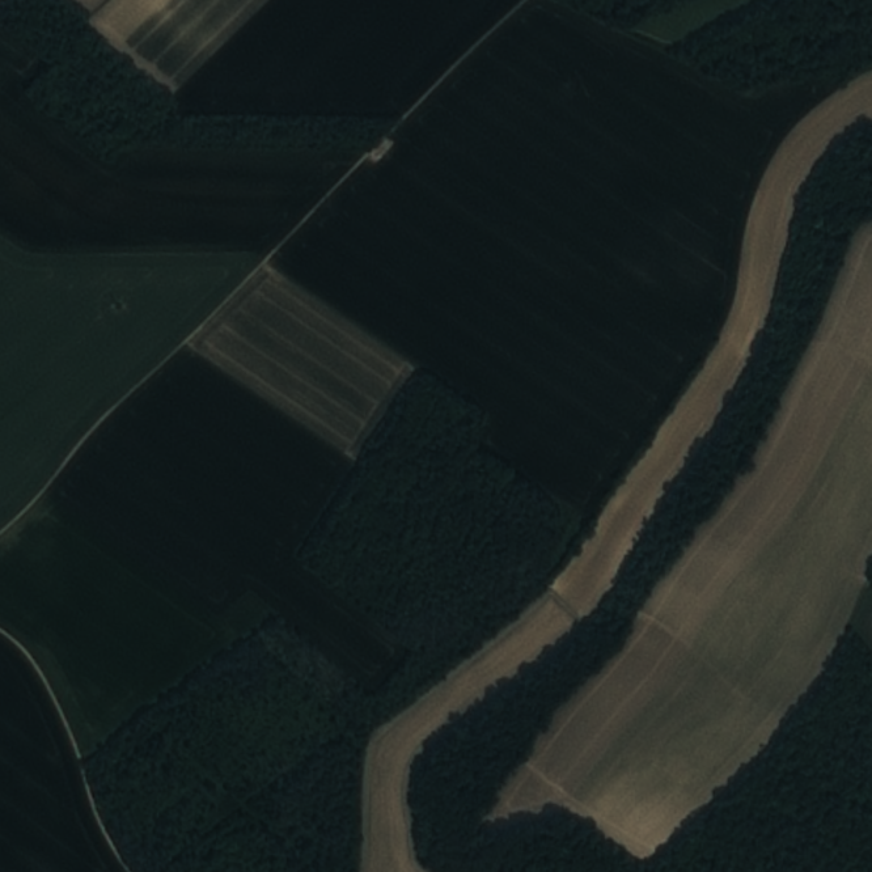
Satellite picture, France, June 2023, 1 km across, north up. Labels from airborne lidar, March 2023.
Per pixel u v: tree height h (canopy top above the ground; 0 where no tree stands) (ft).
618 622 47
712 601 0
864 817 64
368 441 20
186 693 50
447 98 0
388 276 0
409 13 0
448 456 64
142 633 0
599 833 55
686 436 0
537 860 48
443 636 50
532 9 0
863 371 0
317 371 0
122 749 43
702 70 45
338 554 61
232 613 0
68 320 0
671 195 0
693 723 0
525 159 0
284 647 61
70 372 0
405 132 0
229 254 0
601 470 0
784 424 0
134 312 0
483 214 0
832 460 0
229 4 0
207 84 0
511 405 0
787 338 30
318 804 60
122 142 58
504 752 73
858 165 35
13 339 0
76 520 0
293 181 0
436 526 63
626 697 0
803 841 72
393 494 63
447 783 67
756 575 0
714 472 62
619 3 57
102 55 65
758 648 0
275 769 66
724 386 0
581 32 0
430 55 0
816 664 0
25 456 0
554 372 0
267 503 0
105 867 0
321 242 0
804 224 28
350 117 29
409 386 36
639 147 0
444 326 0
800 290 27
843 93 0
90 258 0
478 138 0
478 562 65
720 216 0
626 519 0
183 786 54
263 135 37
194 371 0
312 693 66
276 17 0
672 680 0
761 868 62
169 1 0
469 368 0
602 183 0
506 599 66
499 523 80
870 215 39
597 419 0
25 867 0
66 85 57
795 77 55
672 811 0
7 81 0
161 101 58
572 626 0
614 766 0
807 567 0
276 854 59
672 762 0
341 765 70
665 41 0
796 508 0
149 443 0
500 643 0
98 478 0
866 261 0
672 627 0
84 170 0
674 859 56
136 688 0
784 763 46
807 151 0
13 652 0
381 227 0
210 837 21
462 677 0
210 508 0
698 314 0
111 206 0
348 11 0
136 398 0
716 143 0
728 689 0
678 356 0
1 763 0
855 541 0
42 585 0
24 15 45
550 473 0
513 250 0
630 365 0
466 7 0
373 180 0
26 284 0
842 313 0
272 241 0
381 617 49
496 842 80
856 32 66
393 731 0
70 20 52
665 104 0
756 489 0
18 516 0
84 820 0
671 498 56
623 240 0
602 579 0
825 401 0
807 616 0
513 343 0
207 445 0
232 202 0
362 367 0
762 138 0
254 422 0
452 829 76
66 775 0
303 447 0
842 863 60
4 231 0
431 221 0
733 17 62
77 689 0
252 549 0
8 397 0
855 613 0
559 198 0
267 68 0
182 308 0
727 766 0
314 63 0
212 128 48
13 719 0
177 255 0
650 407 0
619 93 0
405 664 43
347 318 0
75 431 0
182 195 0
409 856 0
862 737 74
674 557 38
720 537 0
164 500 0
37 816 0
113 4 0
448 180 0
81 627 0
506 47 0
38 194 0
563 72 0
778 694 0
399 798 0
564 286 0
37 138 0
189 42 0
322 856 66
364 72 0
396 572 47
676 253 0
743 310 0
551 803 0
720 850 68
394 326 0
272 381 0
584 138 0
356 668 0
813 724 70
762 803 52
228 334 0
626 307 0
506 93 0
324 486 0
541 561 64
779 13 65
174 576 0
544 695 68
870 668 56
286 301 0
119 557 0
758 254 0
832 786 28
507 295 0
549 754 0
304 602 0
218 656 27
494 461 67
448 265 0
